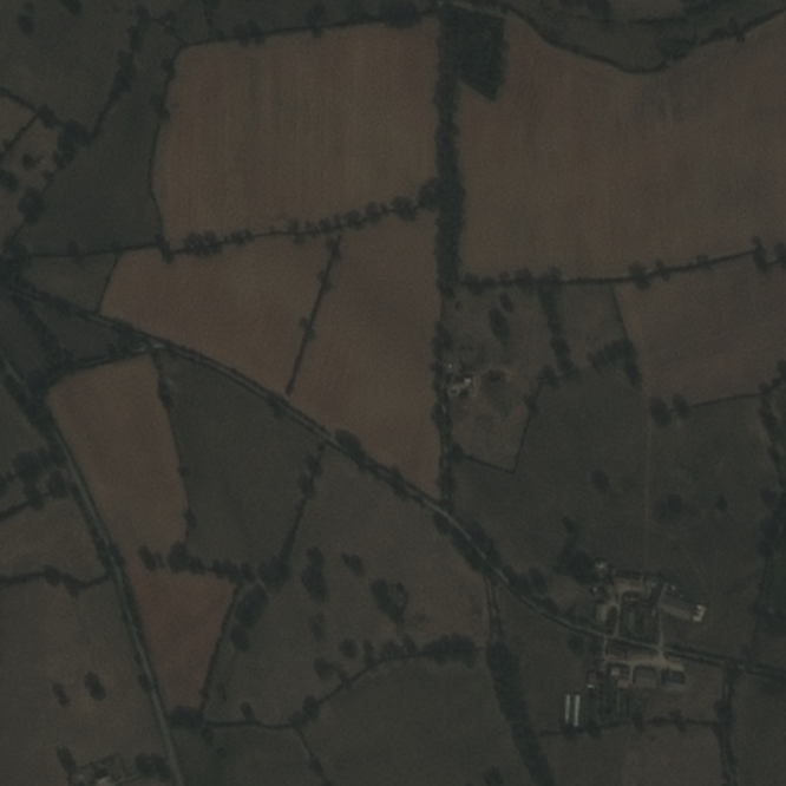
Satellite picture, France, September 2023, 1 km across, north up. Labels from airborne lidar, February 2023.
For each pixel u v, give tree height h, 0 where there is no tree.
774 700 0
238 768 0
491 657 15
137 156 0
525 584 15
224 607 0
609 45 0
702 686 0
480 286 14
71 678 0
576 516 0
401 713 0
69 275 0
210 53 0
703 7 12
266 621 0
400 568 0
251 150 0
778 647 0
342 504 0
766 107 0
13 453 0
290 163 0
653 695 0
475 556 22
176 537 0
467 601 0
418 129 0
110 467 0
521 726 16
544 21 0
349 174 0
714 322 0
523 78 0
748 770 0
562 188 0
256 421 0
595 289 0
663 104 0
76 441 0
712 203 0
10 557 0
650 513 0
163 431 0
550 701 0
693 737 0
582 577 22
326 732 0
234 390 0
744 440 0
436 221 0
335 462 0
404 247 0
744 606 0
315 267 0
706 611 0
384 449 0
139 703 0
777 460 17
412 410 0
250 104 0
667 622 0
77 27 0
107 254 0
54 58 0
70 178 0
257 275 0
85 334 0
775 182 0
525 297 0
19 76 0
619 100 0
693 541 0
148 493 0
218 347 0
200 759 0
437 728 0
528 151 0
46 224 0
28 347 0
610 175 0
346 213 0
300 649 0
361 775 0
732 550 0
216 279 0
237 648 12
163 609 0
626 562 0
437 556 0
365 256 0
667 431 0
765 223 0
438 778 0
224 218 0
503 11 6
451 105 16
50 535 0
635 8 0
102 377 0
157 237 0
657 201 0
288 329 0
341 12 0
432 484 0
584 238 0
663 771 0
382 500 0
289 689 0
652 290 0
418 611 0
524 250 0
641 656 0
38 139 0
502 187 0
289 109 0
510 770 0
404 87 0
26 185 0
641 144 0
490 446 0
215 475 0
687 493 0
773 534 22
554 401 0
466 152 0
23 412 14
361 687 0
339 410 0
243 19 0
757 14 0
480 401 0
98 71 0
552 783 20
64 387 0
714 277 0
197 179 0
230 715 0
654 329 0
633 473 0
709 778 0
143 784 0
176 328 0
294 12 0
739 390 0
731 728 18
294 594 0
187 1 0
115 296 0
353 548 0
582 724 0
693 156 0
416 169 0
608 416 0
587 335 0
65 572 0
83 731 0
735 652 0
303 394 0
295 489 0
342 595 0
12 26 0
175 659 0
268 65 0
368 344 0
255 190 0
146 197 0
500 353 0
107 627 0
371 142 0
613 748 0
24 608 0
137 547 0
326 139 0
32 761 0
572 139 0
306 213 0
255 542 0
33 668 0
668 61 13
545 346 0
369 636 0
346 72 0
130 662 0
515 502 0
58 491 20
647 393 0
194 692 0
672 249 0
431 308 0
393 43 0
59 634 0
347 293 0
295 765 0
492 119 0
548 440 0
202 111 0
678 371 0
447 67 20
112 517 0
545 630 0
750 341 0
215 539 0
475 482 0
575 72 0
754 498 0
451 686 0
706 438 0
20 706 0
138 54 0
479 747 0
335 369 0
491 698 0
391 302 0
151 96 0
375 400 0
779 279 0
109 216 0
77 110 0
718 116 0
